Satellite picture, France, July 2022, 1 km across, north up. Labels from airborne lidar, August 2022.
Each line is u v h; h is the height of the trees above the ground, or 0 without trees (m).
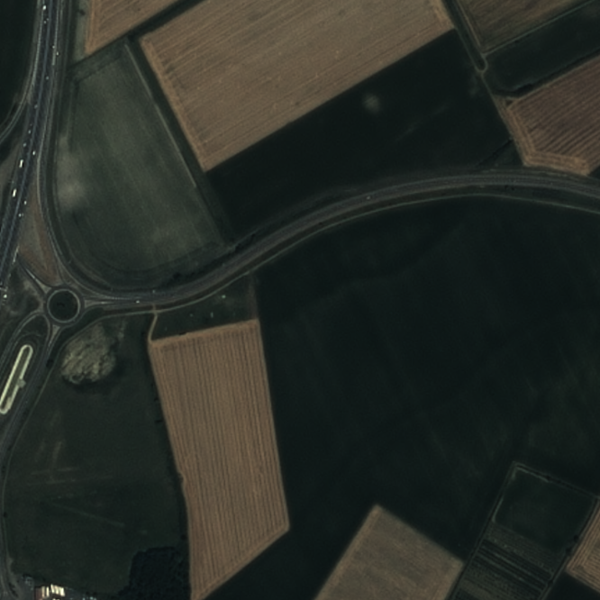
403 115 0
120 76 0
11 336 0
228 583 0
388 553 0
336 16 0
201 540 0
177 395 0
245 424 0
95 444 0
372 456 0
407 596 0
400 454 0
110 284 0
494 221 0
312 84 0
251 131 0
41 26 0
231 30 0
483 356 0
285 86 0
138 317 0
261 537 0
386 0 0
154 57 0
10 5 0
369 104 0
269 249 0
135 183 0
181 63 0
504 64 0
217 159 0
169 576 19
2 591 0
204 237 0
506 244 0
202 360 0
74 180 0
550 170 0
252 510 0
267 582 0
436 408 0
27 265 0
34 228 0
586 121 0
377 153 0
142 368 0
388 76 0
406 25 0
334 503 0
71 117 0
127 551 0
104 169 0
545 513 0
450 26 0
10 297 0
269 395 0
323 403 0
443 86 0
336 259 0
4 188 0
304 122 0
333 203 0
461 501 0
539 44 0
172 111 0
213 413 0
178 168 0
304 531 0
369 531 0
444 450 0
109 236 0
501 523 0
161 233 0
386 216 0
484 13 0
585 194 0
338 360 0
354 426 0
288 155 0
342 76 0
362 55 0
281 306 0
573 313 0
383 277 0
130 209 0
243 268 0
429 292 0
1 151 0
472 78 0
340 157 0
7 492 0
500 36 0
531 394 0
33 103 0
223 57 0
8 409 0
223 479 0
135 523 0
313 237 0
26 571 0
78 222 0
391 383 0
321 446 0
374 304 0
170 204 0
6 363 0
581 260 0
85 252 0
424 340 0
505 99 0
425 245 0
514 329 0
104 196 0
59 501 0
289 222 0
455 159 0
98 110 0
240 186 0
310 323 0
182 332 0
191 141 0
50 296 0
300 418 0
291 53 0
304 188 0
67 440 0
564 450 0
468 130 0
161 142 0
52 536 0
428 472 0
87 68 0
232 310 0
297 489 0
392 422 0
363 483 0
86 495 0
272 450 0
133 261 0
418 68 0
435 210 0
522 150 0
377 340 0
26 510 0
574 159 0
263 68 0
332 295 0
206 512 0
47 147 0
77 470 0
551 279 0
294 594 0
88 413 0
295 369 0
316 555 0
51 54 0
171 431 0
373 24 0
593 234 0
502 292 0
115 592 0
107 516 0
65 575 0
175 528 0
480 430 0
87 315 0
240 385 0
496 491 0
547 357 0
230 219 0
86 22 0
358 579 0
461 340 0
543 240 0
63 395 0
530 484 0
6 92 0
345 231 0
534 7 0
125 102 0
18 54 0
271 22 0
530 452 0
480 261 0
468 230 0
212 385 0
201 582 0
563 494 0
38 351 0
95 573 0
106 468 0
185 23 0
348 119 0
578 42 0
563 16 0
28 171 0
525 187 0
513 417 0
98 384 0
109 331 0
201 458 0
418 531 0
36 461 0
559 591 0
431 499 0
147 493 0
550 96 0
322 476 0
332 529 0
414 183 0
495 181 0
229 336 0
